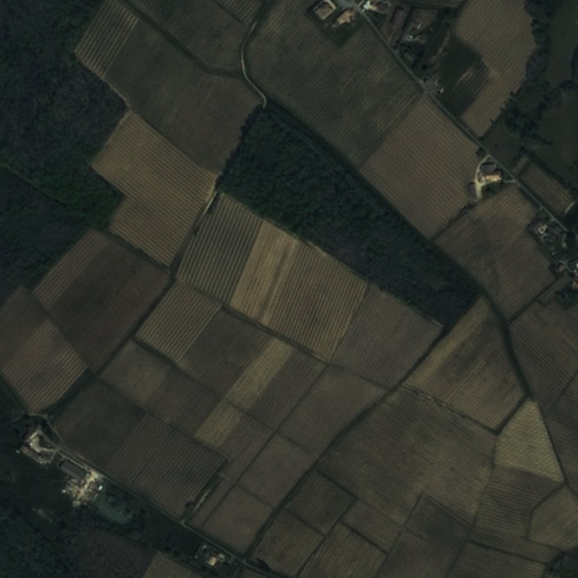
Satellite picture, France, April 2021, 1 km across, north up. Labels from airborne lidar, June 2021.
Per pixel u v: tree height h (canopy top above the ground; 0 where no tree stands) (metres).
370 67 0
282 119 9
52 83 24
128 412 0
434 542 0
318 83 0
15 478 7
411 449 0
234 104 0
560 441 0
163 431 0
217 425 0
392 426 0
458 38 0
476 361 0
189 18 0
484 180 0
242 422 0
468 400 0
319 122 0
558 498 0
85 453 0
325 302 0
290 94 0
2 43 26
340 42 0
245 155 18
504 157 0
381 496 0
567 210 0
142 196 0
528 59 0
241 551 0
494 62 0
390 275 16
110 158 0
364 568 0
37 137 19
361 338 0
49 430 14
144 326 0
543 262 0
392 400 0
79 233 16
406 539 0
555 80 0
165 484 0
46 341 0
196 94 0
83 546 8
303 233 16
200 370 0
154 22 0
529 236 0
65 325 0
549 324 0
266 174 27
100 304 0
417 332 0
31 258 12
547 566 0
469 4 0
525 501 0
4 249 8
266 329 0
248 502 0
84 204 20
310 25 0
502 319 0
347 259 15
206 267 0
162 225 0
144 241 0
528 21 0
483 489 0
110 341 0
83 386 0
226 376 0
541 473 0
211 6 0
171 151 0
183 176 0
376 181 0
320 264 0
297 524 0
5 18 20
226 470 0
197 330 0
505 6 0
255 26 0
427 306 14
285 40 0
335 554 0
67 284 0
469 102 0
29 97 18
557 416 0
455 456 0
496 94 0
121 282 0
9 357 0
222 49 0
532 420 0
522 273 0
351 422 0
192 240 0
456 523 0
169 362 0
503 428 0
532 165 0
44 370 0
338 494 0
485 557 0
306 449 0
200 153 0
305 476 0
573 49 0
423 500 0
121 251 0
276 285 0
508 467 0
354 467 0
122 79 0
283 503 0
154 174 0
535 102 0
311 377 0
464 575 0
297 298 0
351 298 0
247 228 0
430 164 0
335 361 0
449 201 0
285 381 0
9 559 21
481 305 0
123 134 0
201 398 0
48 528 0
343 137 0
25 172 10
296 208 16
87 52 0
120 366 0
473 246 0
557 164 0
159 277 0
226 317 0
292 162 19
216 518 0
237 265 0
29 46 17
